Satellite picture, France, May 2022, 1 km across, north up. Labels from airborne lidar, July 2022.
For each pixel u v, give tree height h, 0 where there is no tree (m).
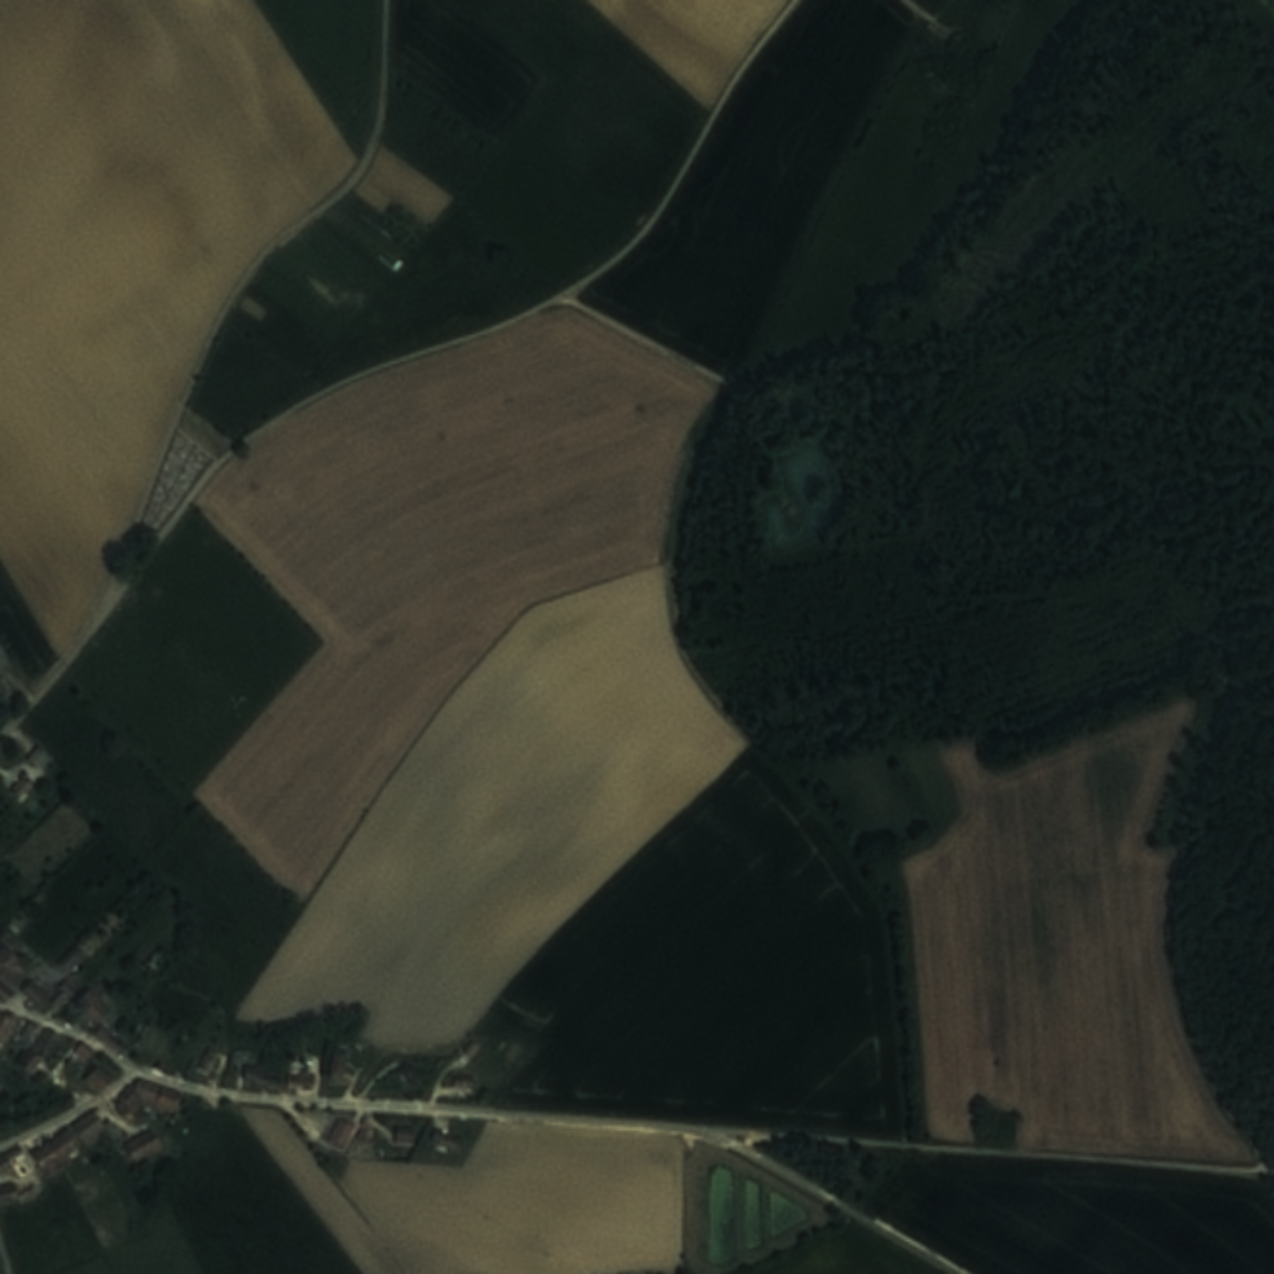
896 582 8
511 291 0
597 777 0
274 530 0
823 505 18
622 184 0
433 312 0
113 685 0
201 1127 0
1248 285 17
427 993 0
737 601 5
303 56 0
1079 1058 0
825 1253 0
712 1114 0
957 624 10
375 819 0
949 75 6
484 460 0
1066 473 27
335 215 0
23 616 0
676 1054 0
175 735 0
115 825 0
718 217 0
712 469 24
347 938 0
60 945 0
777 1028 0
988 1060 0
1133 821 0
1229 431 18
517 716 0
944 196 0
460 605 0
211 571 0
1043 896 0
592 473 0
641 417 0
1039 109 33
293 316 0
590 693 0
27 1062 0
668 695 0
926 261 21
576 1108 0
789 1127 0
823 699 33
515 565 0
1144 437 22
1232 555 14
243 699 0
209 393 0
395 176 0
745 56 0
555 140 0
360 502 0
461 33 0
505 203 0
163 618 0
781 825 0
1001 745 26
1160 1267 0
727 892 0
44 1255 0
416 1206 0
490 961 0
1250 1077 21
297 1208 0
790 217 0
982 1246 0
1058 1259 0
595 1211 0
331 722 0
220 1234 0
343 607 0
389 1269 0
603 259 0
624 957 0
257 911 0
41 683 0
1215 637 10
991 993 0
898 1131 0
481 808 0
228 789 0
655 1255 0
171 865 0
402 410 0
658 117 0
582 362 0
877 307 31
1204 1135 0
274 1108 0
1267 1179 11
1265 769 28
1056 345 7
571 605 0
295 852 0
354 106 0
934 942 0
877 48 0
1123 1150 0
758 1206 0
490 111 0
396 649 0
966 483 7
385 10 0
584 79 0
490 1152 0
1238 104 6
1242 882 27
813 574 6
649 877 0
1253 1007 28
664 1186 0
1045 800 0
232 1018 0
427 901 0
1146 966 0
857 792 0
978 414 6
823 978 0
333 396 0
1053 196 0
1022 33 0
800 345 0
